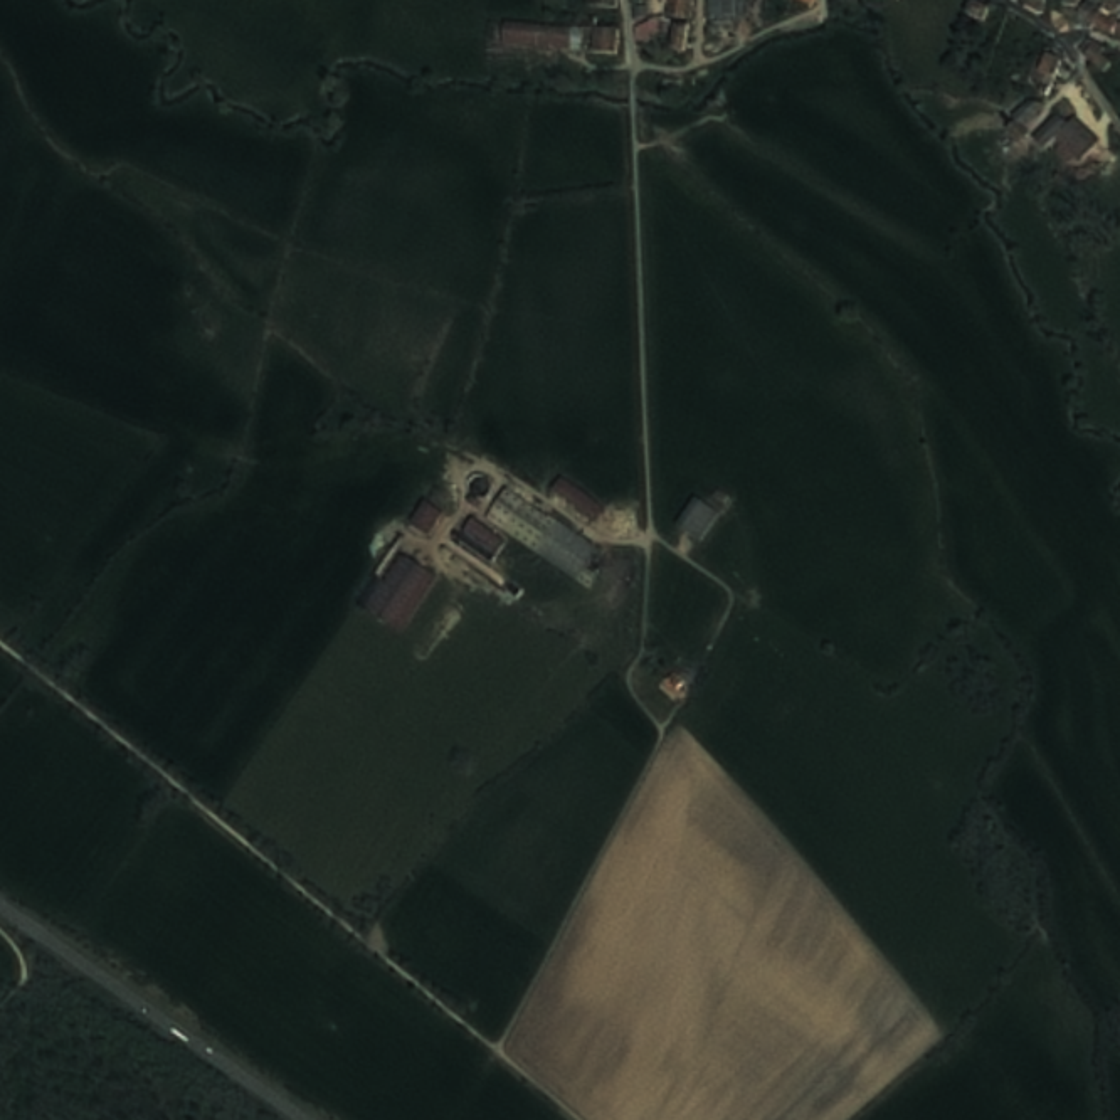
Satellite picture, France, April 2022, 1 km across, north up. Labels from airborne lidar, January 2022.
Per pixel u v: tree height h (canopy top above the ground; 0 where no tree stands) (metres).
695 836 0
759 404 0
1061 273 0
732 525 0
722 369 0
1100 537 0
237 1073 0
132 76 0
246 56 0
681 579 0
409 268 0
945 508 0
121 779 0
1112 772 0
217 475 0
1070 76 0
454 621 0
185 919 0
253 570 0
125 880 0
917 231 0
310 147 0
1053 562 0
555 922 0
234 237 0
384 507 0
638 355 0
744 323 0
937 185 0
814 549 0
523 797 0
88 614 0
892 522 0
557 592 0
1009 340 0
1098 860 0
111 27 0
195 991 0
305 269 0
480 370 0
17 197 0
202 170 0
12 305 0
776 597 0
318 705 0
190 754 0
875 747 0
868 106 0
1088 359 0
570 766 0
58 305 0
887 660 0
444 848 0
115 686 0
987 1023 0
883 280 0
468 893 0
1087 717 0
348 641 0
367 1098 0
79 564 0
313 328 0
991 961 0
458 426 7
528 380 0
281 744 0
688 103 18
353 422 14
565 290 0
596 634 0
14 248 0
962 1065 0
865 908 0
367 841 0
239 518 0
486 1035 0
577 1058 0
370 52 0
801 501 0
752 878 0
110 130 0
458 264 0
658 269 0
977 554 0
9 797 0
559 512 0
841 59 0
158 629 0
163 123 0
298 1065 0
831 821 0
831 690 0
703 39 0
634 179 0
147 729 0
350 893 0
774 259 0
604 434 0
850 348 0
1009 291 0
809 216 0
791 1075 0
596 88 20
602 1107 0
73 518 0
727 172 0
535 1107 0
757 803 0
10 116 0
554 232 0
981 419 0
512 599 0
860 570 0
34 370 0
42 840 0
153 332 0
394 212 0
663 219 0
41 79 0
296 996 0
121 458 0
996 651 0
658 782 0
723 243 0
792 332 0
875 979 0
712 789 0
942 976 0
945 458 0
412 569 0
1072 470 0
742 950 0
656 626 0
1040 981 0
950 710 0
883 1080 0
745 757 0
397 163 0
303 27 0
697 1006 0
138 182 0
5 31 0
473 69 0
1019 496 0
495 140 0
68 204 0
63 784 0
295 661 0
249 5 0
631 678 0
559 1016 0
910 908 0
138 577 0
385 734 0
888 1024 0
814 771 0
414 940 0
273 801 0
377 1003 0
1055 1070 0
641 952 0
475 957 0
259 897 0
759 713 0
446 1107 0
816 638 0
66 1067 25
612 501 0
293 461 0
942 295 0
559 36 0
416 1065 0
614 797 0
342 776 0
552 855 0
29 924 0
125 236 0
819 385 0
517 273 0
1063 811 0
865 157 0
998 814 15
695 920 0
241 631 0
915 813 0
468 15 0
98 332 0
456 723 0
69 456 0
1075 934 0
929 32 0
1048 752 0
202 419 0
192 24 0
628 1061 0
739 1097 0
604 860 0
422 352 0
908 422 0
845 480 0
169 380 0
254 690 0
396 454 0
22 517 0
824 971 0
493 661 0
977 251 0
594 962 0
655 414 0
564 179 0
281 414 0
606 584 0
